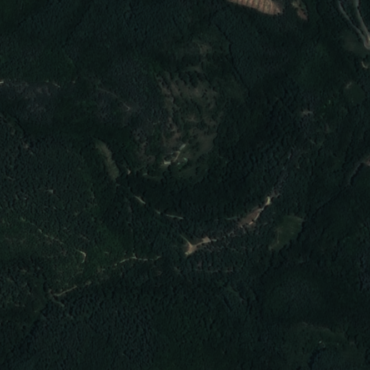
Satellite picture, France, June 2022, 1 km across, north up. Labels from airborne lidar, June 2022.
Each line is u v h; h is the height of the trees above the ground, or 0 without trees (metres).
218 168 17
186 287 23
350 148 20
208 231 20
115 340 28
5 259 14
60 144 28
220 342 24
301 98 22
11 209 24
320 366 33
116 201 28
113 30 25
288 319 16
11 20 25
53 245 9
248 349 26
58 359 16
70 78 12
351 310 18
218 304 26
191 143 13
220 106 15
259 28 29
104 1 32
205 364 17
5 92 15
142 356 30
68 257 6
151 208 17
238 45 27
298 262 7
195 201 21
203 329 24
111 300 22
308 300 14
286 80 19
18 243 10
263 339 24
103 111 14
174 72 9
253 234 18
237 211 22
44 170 25
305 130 17
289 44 25
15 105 21
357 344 13
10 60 19
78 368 12
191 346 23
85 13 17
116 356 19
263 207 13
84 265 15
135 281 22
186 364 25
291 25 19
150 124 9
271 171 12
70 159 14
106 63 18
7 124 32
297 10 25
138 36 28
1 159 28
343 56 16
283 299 16
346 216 15
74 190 21
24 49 18
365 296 17
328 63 15
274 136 21
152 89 19
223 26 29
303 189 28
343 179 22
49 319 34
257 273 20
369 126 26
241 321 33
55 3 35
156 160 10
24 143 33
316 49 15
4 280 28
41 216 25
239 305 31
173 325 19
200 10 15
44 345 22
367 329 20
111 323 27
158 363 16
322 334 9
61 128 19
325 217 26
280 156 9
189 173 0
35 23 30
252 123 17
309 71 16
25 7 16
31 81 12
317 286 17
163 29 29
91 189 16
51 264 12
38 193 25
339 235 17
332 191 21
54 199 22
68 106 19
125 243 14
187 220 22
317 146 15
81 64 16
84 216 22
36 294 23
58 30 25
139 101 11
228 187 32
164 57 20
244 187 20
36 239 11
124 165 20
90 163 17
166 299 15
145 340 17
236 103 21
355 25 13
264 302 24
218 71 10
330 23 20
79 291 27
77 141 20
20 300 22
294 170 19
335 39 7
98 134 25
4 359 28
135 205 21
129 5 33
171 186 24
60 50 13
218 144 19
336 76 23
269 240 24
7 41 32
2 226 11
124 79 15
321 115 18
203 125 13
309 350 7
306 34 20
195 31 7
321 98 14
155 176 22
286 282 19
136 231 17
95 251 10
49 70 14
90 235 28
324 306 25
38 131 22
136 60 15
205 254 17
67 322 24
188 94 0
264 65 21
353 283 20
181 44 10
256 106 32
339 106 19
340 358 36
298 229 0
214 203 21
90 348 10
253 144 27
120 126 21
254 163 26
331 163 23
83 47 25
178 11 29
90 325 27
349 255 12
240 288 25
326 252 8
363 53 0
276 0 14
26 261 28
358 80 15
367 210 21
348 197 19
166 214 19
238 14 31
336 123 14
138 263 13
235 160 22
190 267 26
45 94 13
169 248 26
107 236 14
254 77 33
